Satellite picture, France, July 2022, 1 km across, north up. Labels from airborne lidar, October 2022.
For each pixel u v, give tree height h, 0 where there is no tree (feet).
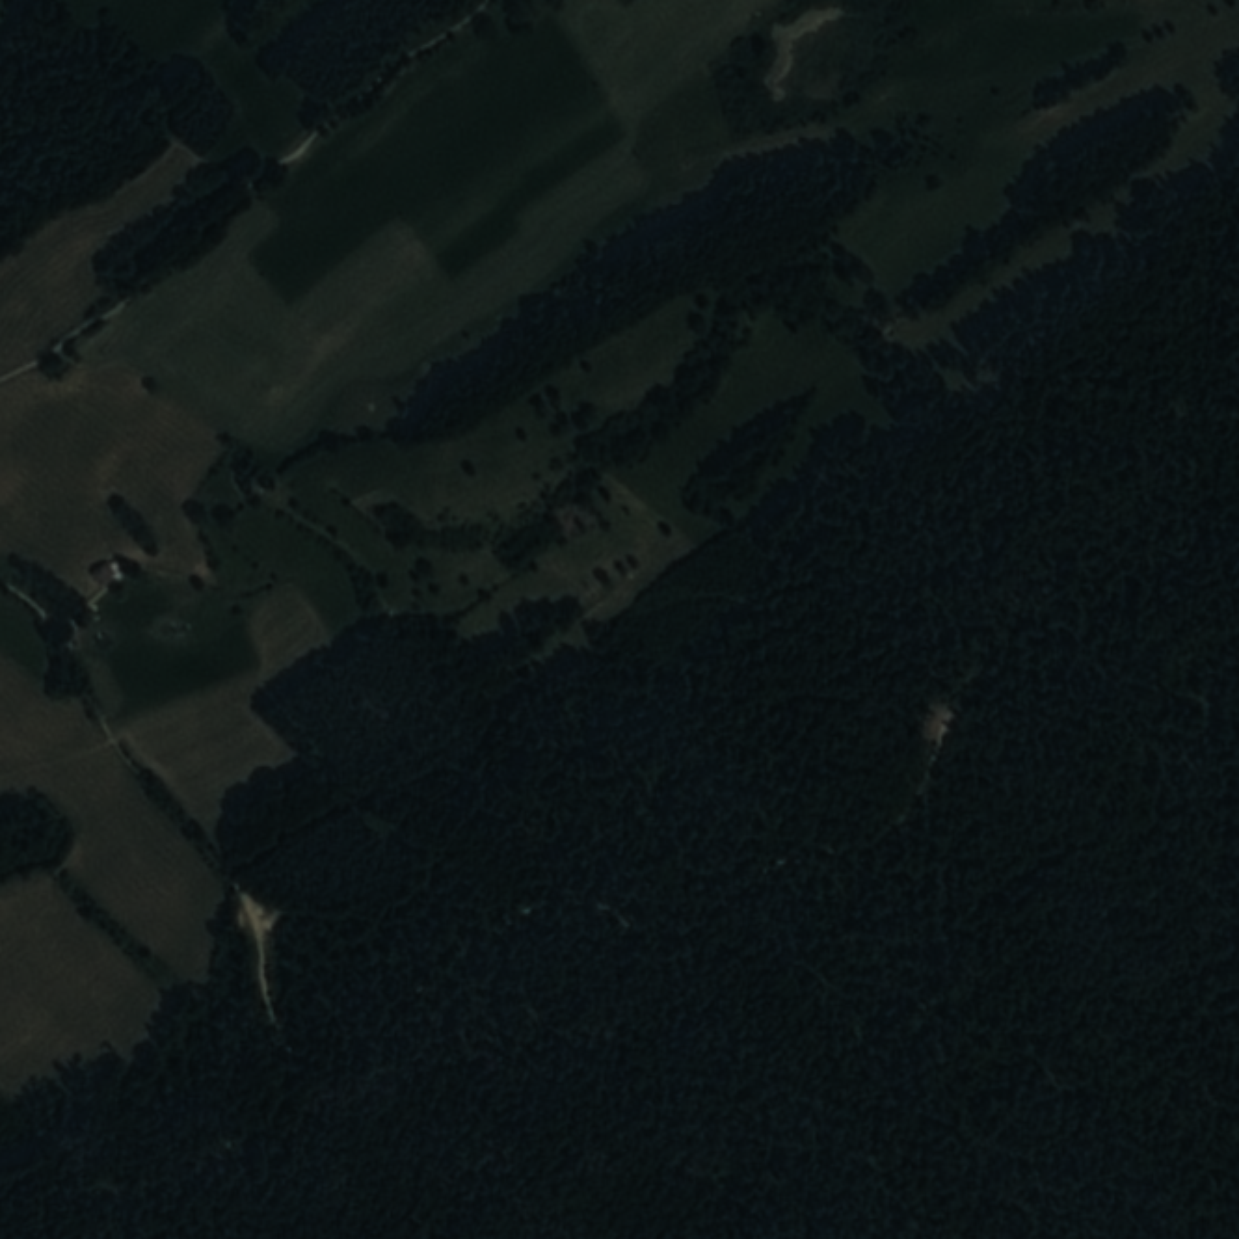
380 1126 60
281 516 24
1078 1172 87
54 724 0
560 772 78
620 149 0
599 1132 63
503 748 47
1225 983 57
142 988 0
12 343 0
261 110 0
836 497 23
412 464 0
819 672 71
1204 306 22
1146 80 0
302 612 0
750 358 0
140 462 0
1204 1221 46
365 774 71
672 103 0
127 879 0
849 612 64
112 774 0
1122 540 52
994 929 72
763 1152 59
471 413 64
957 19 0
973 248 49
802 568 78
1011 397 54
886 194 0
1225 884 61
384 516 29
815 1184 64
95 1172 53
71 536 0
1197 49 0
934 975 24
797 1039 64
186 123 67
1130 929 71
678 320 0
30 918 0
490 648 70
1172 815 68
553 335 81
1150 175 0
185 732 0
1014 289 0
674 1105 43
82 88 96
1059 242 0
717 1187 59
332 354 0
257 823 84
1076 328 91
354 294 0
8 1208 68
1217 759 64
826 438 49
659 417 28
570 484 24
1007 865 61
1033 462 80
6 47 56
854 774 54
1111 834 53
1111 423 24
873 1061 87
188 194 48
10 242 72
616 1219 60
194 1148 79
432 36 0
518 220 0
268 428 0
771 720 43
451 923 49
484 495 0
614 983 53
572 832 57
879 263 0
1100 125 50
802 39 0
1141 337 26
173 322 0
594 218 0
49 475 0
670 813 69
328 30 76
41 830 71
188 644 0
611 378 0
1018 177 0
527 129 0
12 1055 0
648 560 0
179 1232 83
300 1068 43
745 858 89
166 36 0
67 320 0
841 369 0
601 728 67
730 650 61
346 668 74
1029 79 0
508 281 0
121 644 0
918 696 43
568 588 0
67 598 97
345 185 0
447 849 70
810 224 61
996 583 76
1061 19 0
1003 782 56
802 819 68
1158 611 63
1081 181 81
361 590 31
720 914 76
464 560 0
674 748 77
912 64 0
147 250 64
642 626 21
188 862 0
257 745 0
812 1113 44
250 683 0
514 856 73
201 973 0
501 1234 56
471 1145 87
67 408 0
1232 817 78
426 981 78
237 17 60
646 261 84
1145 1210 50
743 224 96
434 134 0
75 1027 0
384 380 0
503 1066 70
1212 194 79
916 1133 61
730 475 54
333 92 64
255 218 0
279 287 0
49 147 85
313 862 45
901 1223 93
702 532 0
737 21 0
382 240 0
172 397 0
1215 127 0
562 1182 47
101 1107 77
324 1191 76
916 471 75
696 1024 82
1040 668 73
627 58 0
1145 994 39
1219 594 70
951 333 0
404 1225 67
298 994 26
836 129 0
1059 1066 91
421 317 0
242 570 0
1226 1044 56
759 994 61
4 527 0
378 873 50
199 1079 51
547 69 0
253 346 0
